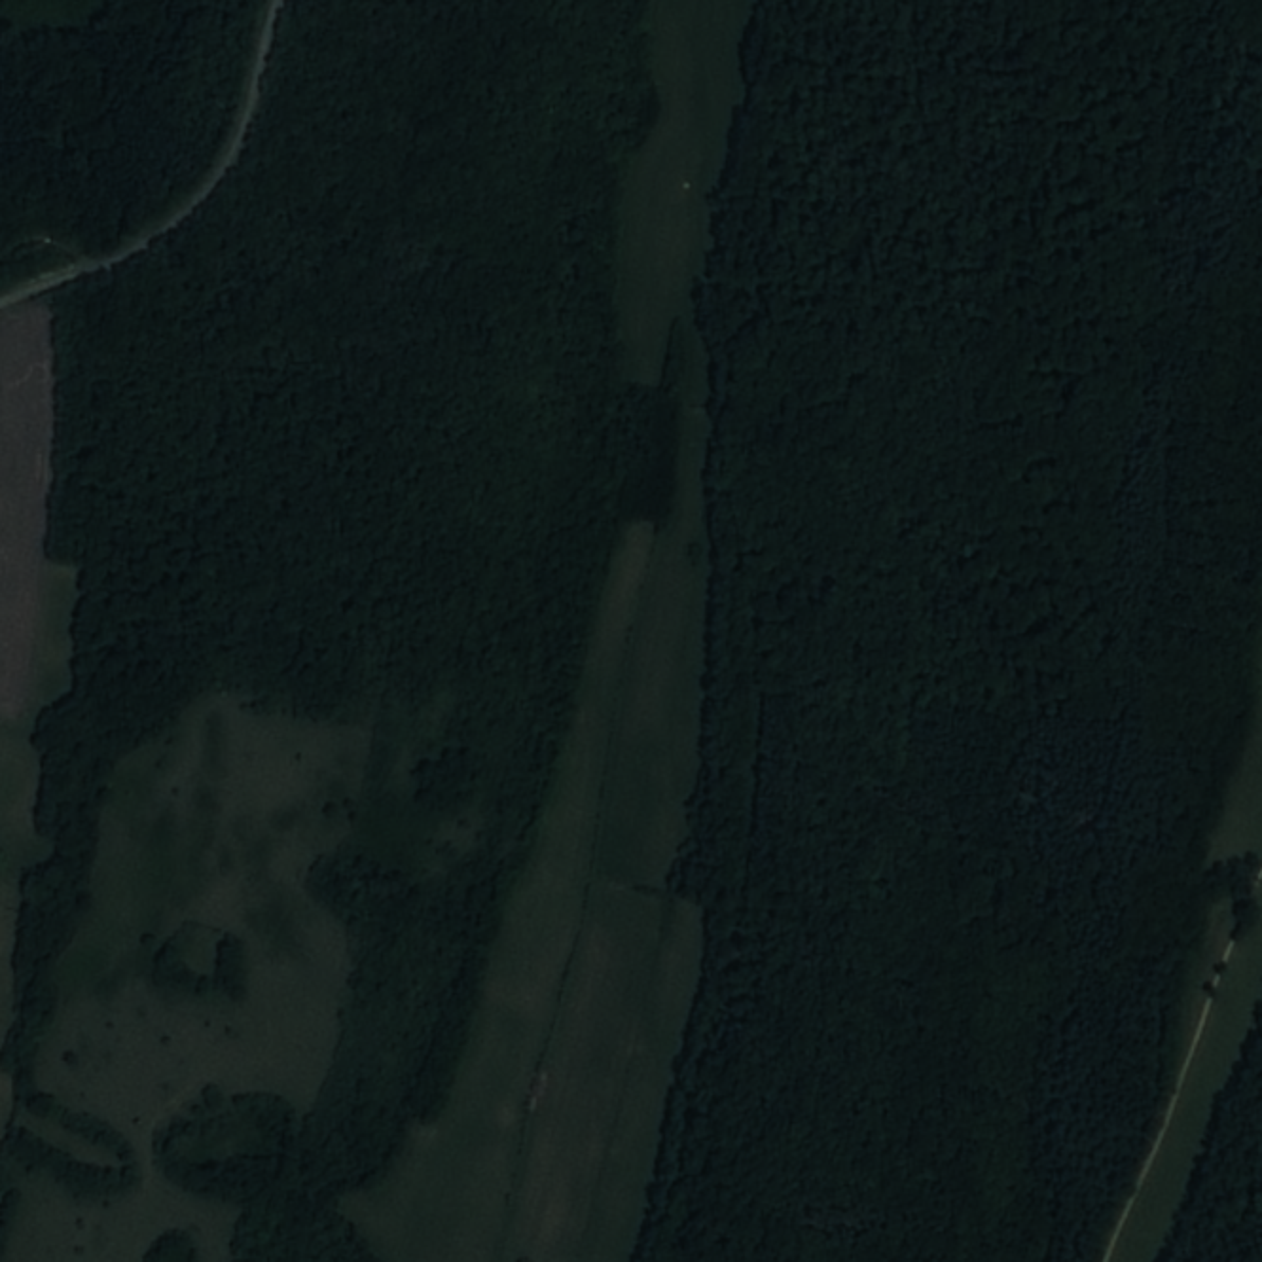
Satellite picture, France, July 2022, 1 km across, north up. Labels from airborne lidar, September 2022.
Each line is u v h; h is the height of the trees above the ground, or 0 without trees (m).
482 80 19
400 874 12
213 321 19
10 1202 11
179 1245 16
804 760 17
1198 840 29
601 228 21
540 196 16
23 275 8
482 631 8
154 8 17
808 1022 19
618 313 17
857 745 15
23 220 17
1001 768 20
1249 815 0
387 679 10
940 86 23
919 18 17
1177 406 29
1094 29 20
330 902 6
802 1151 15
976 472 20
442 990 9
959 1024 21
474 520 11
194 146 15
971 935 17
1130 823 35
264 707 9
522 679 10
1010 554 22
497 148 16
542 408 9
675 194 0
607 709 0
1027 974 17
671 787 0
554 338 11
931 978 23
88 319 13
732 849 24
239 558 13
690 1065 19
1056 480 20
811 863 16
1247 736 20
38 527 0
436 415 13
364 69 18
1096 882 25
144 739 17
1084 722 26
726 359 19
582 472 12
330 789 0
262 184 20
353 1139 13
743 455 22
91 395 15
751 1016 21
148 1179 0
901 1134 20
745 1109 20
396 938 9
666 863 0
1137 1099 31
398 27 15
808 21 19
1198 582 21
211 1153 0
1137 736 37
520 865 8
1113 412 21
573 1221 0
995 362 24
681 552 0
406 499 12
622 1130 0
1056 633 25
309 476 16
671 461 9
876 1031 18
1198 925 28
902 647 18
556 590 12
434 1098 21
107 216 19
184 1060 0
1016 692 18
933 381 7
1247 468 24
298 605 11
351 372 21
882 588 16
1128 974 30
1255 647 18
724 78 0
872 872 12
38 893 13
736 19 0
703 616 0
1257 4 26
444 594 14
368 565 11
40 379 0
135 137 24
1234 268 35
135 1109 0
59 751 13
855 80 18
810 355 20
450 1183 0
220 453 16
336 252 19
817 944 20
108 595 17
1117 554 18
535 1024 0
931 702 15
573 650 22
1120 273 21
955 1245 22
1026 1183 21
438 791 21
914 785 16
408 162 18
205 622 22
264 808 0
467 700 6
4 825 0
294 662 16
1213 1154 21
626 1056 0
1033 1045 21
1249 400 22
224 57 8
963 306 13
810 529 25
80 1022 0
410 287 21
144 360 16
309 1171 18
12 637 0
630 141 17
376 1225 0
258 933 0
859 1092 14
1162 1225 0
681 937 0
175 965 15
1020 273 6
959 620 19
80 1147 0
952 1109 28
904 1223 20
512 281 18
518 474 6
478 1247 0
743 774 27
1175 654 26
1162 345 15
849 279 19
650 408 7
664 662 0
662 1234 22
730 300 24
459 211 19
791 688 16
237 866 0
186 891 0
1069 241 18
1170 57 20
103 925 0
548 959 0
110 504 18
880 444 19
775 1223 23
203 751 0
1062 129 18
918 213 18
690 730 0
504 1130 0
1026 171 23
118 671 21
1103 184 23
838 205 6
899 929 17
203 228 20
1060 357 24
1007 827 20
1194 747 31
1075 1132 40
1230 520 23
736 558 19
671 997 0
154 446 14
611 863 0
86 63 22
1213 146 19
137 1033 0
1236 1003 0
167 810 0
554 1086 0
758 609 19
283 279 15
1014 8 21
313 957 0
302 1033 0
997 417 23
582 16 14
